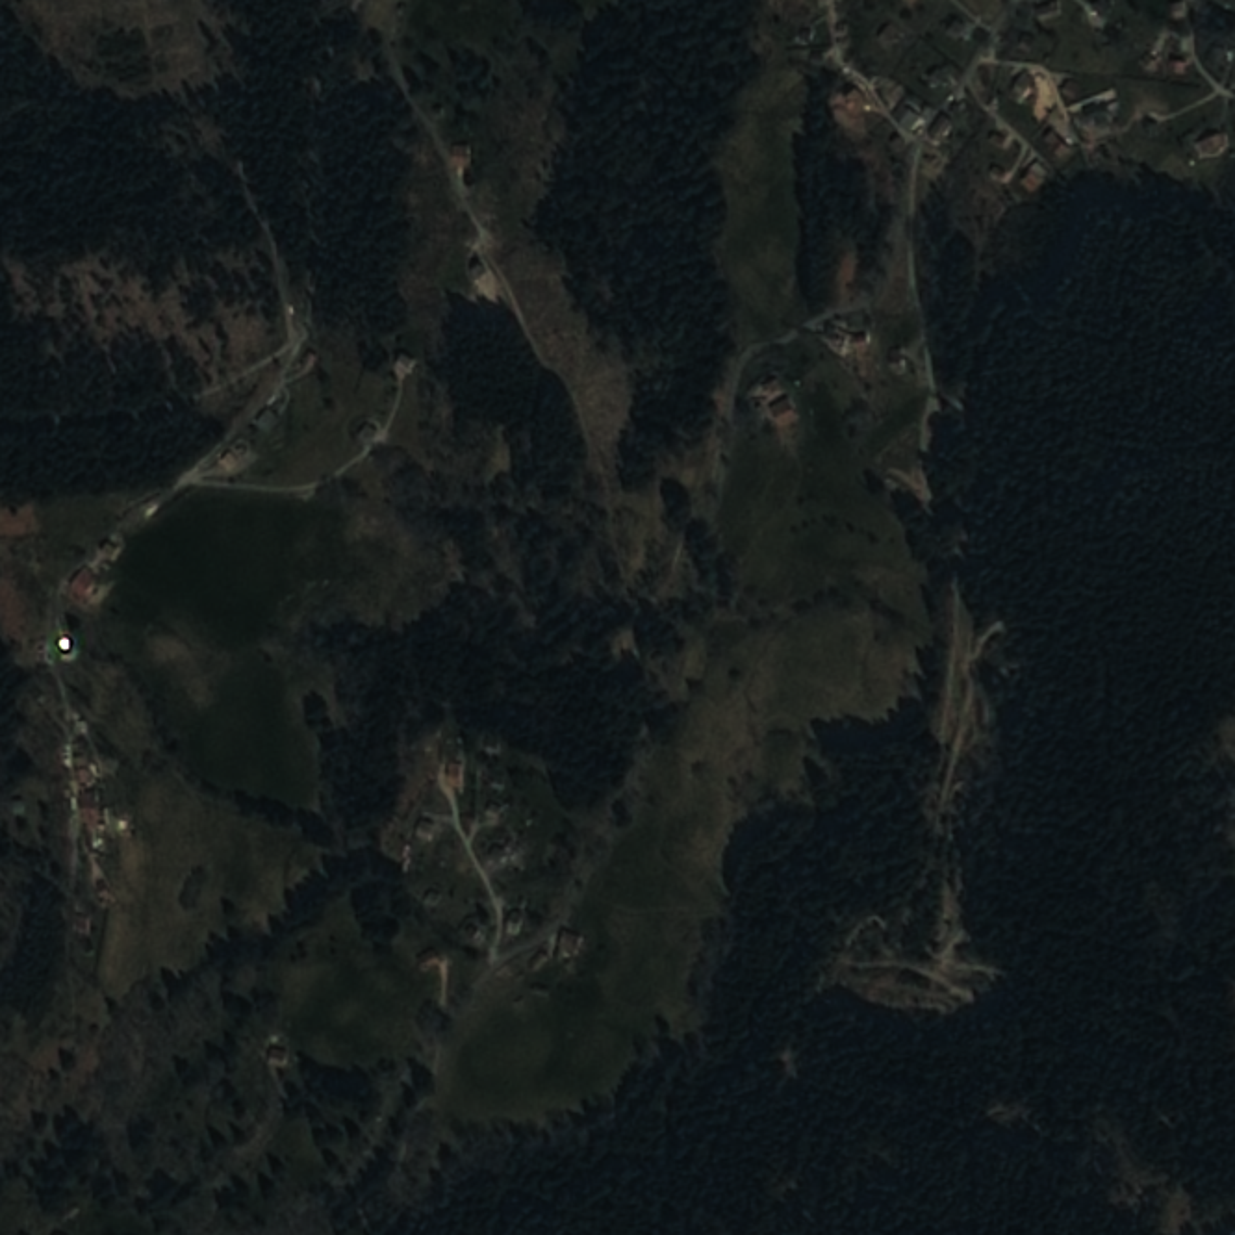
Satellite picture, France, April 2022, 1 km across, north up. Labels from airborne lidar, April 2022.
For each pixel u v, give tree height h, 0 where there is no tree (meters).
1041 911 24
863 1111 26
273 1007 24
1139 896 28
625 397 0
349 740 14
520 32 8
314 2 30
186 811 0
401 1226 14
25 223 18
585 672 17
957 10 0
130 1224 0
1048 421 25
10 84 14
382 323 33
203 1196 14
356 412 0
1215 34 19
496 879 0
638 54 37
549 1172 30
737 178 0
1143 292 28
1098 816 27
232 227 24
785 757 0
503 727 28
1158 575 24
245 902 0
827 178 24
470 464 6
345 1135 10
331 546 0
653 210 40
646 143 42
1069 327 28
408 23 0
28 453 35
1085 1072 23
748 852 23
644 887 0
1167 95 0
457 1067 0
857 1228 30
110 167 19
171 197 25
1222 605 31
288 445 0
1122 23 0
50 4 0
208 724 0
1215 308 21
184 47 0
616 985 0
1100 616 26
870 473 0
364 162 30
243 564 0
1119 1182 20
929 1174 27
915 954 12
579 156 28
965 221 7
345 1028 0
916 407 0
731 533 0
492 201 0
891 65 0
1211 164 0
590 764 33
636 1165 31
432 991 0
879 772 34
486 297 0
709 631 24
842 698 0
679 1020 0
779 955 29
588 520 5
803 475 0
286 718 0
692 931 0
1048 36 10
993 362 29
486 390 24
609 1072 0
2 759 24
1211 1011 18
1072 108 0
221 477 0
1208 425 31
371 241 32
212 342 0
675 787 0
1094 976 25
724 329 20
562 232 26
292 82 28
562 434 31
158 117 24
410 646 17
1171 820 21
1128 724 24
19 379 24
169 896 0
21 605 0
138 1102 5
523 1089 0
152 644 0
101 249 21
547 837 0
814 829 22
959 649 0
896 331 0
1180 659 27
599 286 25
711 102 34
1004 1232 30
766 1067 30
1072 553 28
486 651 24
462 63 23
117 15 0
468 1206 36
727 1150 31
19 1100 9
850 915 22
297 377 0
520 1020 0
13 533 0
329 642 17
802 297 0
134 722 0
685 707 11
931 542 25
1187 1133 22
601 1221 18
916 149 0
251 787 0
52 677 7
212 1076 26
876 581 0
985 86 6
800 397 0
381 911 26
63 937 26
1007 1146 29
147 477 29
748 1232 31
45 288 22
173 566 0
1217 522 25
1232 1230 0
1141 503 19
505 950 7
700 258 35
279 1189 9
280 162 31
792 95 0
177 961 0
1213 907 29
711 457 0
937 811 9
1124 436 24
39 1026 0
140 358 31
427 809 6
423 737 18
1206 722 29
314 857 0
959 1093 18
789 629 0
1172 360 31
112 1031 8
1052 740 32
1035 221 7
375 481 0
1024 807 29
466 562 7
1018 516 28
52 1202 21
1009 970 15
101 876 0
